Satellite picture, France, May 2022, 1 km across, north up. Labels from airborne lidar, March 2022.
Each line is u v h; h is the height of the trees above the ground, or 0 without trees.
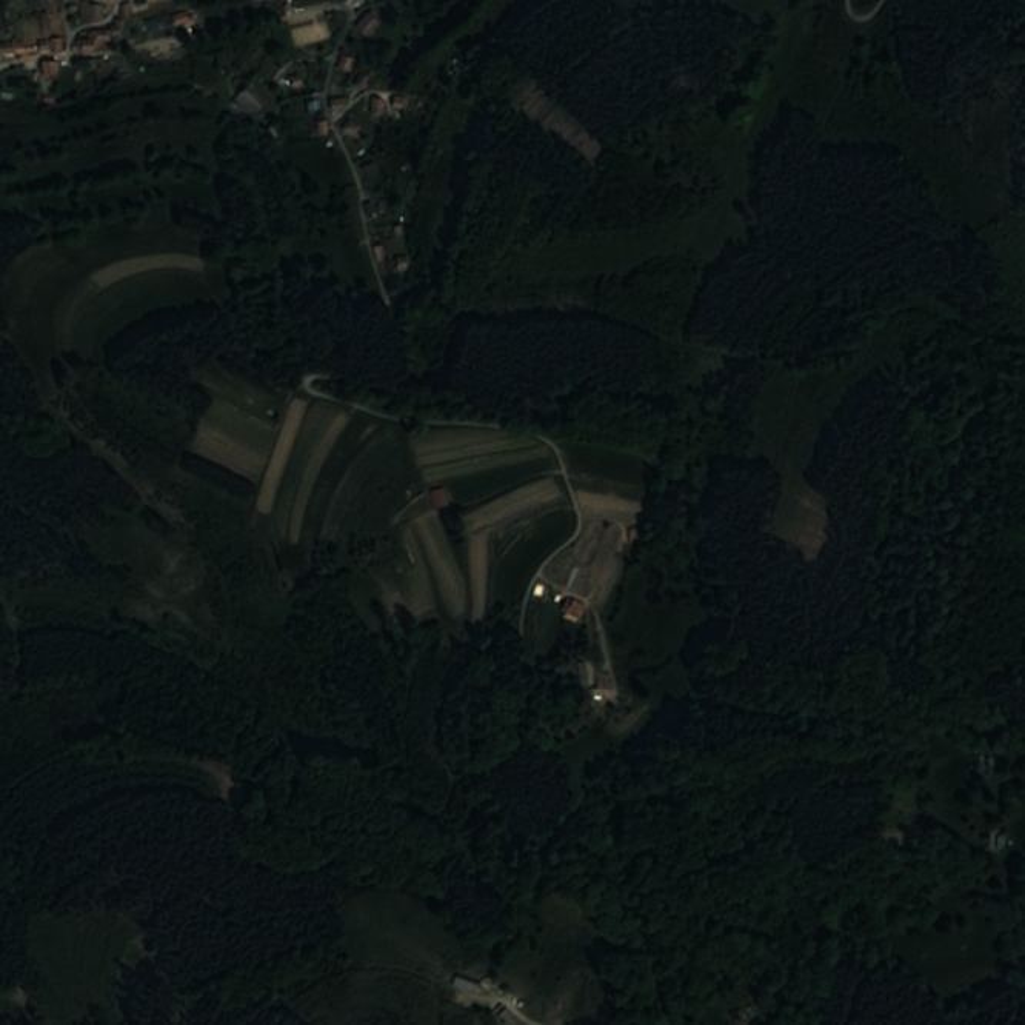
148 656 13
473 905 35
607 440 16
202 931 25
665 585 0
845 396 0
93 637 15
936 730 23
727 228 0
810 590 27
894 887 28
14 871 12
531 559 0
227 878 28
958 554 23
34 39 0
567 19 27
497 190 28
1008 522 18
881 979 22
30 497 27
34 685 11
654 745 28
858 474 23
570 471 0
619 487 0
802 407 0
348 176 0
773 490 34
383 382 32
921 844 30
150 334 25
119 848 19
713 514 29
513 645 25
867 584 18
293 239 8
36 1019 27
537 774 31
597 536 0
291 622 9
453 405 28
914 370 18
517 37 28
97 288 0
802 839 20
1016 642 11
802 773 18
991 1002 24
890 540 21
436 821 8
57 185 16
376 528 0
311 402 0
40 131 0
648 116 24
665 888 29
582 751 0
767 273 28
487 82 29
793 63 0
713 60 21
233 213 22
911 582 29
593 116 24
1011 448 12
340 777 32
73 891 27
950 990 0
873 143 0
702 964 29
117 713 23
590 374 27
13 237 20
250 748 17
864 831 26
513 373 27
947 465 12
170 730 20
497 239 28
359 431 0
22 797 7
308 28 0
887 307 18
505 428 18
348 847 33
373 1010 0
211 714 14
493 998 0
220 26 18
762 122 0
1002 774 18
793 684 30
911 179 34
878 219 27
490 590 0
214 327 28
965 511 24
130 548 0
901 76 15
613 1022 25
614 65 22
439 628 9
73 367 25
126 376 24
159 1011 27
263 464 0
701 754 30
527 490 0
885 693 26
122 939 0
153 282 0
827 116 0
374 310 32
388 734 22
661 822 23
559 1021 0
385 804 32
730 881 31
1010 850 0
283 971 28
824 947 25
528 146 24
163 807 24
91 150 0
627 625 0
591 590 0
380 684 17
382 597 0
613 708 11
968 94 23
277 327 19
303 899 27
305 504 0
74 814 19
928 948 0
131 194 0
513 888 25
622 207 12
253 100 0
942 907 0
